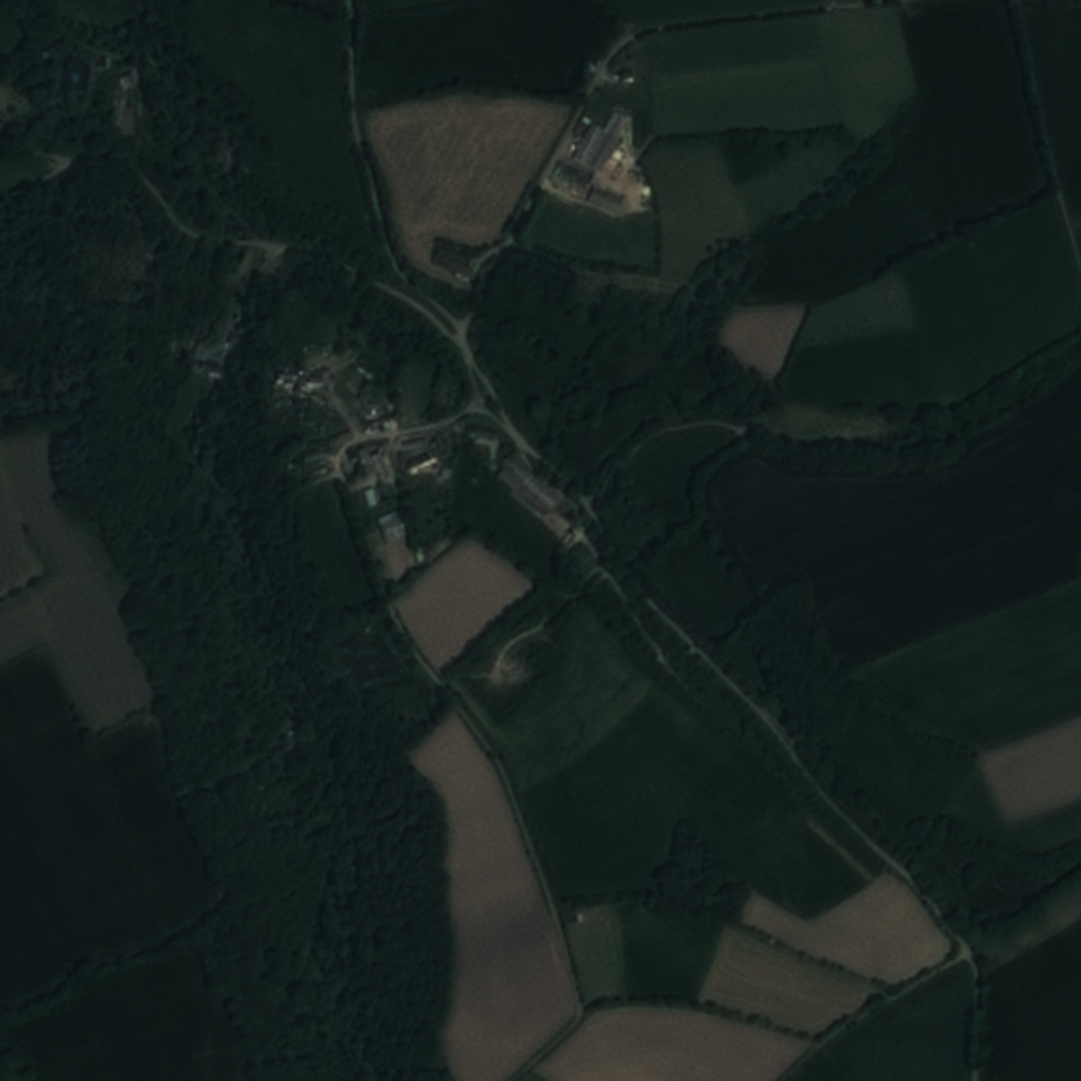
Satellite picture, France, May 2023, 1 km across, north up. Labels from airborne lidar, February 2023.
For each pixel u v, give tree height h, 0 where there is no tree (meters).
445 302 9
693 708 6
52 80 11
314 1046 21
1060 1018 0
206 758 21
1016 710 0
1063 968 0
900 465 18
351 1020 12
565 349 0
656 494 0
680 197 0
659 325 9
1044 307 0
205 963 16
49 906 0
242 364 21
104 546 7
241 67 0
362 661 0
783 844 0
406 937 17
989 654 0
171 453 22
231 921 18
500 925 0
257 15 0
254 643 27
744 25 9
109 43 8
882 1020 0
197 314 17
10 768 0
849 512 0
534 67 0
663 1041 0
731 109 0
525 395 0
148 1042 0
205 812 18
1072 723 0
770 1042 0
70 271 25
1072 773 0
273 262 0
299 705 14
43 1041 0
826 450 18
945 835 9
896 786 0
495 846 0
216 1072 0
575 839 0
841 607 0
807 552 0
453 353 9
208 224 25
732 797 0
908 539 0
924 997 0
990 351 0
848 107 0
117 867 0
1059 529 0
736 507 0
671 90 0
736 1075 0
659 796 0
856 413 14
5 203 12
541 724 0
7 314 17
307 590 19
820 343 0
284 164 0
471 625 0
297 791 11
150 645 18
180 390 0
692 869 9
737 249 17
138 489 23
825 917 0
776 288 0
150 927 0
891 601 0
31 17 10
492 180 0
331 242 15
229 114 8
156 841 0
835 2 0
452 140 0
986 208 0
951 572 0
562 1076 0
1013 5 15
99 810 0
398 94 0
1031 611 0
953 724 0
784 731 17
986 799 0
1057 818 0
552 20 0
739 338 0
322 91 0
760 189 0
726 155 0
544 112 0
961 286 0
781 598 23
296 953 21
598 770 0
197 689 16
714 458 7
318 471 0
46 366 16
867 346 0
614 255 0
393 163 0
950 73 0
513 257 21
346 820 27
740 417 17
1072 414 0
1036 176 0
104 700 0
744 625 17
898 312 0
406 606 0
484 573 0
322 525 0
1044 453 0
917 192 0
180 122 13
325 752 8
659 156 0
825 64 0
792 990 0
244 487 16
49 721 0
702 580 0
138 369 26
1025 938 0
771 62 0
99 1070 0
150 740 0
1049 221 0
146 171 15
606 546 17
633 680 0
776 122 0
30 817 0
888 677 0
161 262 15
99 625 0
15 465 0
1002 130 0
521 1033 0
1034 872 8
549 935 0
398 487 11
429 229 0
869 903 0
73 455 26
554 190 0
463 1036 0
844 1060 0
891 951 0
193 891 0
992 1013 0
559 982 0
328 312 16
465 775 0
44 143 13
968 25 0
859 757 0
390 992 15
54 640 0
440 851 15
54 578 0
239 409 14
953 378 0
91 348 17
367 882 21
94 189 21
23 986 0
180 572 20
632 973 0
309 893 21
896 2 14
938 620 0
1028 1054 0
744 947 0
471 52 0
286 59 0
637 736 0
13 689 0
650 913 12
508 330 11
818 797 11
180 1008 0
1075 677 0
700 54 0
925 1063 0
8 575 0
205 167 11
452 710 10
